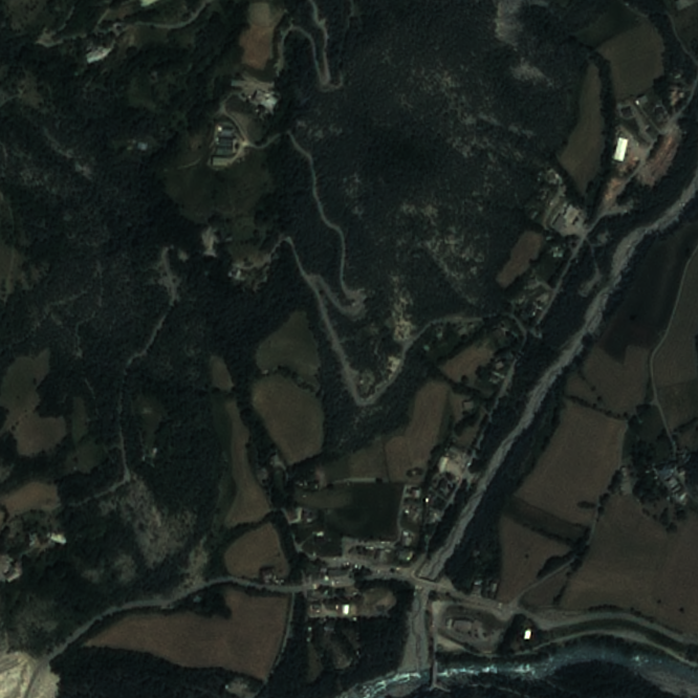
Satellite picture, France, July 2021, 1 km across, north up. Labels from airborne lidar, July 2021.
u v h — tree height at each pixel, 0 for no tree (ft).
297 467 37
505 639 30
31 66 41
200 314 29
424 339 22
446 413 0
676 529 25
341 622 42
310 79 24
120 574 20
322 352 21
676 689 0
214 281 68
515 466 30
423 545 35
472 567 35
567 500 0
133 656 45
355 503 0
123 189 24
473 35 21
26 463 31
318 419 0
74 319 23
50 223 34
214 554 23
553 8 21
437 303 19
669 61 41
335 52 35
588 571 0
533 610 0
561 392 29
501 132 18
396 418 25
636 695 37
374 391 21
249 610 0
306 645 28
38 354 24
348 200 20
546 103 26
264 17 0
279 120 48
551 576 0
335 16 27
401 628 30
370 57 20
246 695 0
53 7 33
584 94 0
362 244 20
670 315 0
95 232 31
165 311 55
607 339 0
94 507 26
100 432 31
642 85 0
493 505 33
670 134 0
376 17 25
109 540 52
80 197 19
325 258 33
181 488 44
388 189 22
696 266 0
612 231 42
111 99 22
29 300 28
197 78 28
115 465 40
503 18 0
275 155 50
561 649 28
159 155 52
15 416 0
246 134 0
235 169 0
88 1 34
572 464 0
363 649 30
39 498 0
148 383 69
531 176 31
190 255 49
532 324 30
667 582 0
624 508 0
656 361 0
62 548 24
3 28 29
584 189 0
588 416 0
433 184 19
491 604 0
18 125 36
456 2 33
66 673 38
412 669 0
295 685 47
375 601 0
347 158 21
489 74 23
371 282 17
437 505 18
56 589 36
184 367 34
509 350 24
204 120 54
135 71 37
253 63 0
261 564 0
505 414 39
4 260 0
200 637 0
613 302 26
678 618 0
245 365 41
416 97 21
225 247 44
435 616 0
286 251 68
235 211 0
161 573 31
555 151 22
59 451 23
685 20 0
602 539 0
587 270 30
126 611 30
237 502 0
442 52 20
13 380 0
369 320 19
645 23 0
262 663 0
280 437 0
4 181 28
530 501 0
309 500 0
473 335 22
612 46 0
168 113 33
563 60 26
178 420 27
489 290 26
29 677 0
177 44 32
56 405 25
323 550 0
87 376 29
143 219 42
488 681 31
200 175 0
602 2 28
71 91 35
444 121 21
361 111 31
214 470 35
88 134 50
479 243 18
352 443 23
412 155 24
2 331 35
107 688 44
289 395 0
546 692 53
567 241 29
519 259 0
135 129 40
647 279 0
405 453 0
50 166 41
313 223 25
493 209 22
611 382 0
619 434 0
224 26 54
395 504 0
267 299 48
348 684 38
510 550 0
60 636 31
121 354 44
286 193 29
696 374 0
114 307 22
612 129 33
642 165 0
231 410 0
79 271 26
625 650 59
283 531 39
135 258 35
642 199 28
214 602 46
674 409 0
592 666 44
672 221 0
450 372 0
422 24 31
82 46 38
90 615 22
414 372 20
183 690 33
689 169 25
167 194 33
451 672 0
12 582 30
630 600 0
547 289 0
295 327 0
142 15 35
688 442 0
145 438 25
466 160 20
